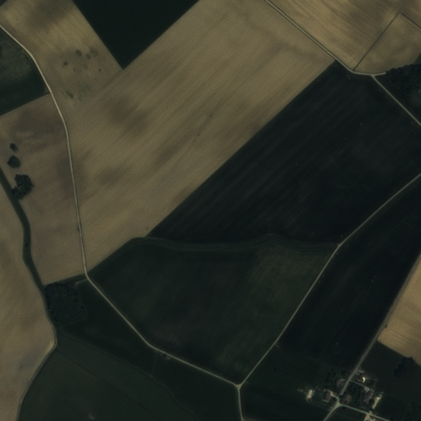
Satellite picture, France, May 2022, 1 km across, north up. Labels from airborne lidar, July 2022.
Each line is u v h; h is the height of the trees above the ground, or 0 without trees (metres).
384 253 0
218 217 0
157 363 0
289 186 0
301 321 0
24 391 0
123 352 0
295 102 0
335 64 0
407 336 0
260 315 0
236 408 0
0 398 0
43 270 0
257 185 0
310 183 0
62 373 0
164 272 0
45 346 0
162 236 0
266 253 0
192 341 0
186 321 0
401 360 0
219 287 0
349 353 0
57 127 0
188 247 0
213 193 0
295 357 0
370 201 0
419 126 0
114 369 0
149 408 0
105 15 0
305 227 0
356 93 0
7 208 0
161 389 0
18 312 0
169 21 0
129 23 0
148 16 0
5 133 0
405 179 0
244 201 0
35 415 0
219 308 0
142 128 0
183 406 0
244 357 0
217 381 0
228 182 0
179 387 0
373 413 12
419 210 0
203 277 0
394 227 0
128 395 0
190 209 0
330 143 0
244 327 0
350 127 0
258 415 0
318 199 0
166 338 0
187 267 0
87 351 0
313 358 0
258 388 0
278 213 0
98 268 0
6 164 0
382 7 0
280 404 0
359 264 0
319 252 0
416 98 0
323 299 0
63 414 0
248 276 0
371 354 0
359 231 0
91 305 0
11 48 0
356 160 0
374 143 0
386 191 0
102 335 0
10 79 0
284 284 0
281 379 0
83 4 0
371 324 0
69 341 0
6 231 0
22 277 0
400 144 0
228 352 0
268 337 0
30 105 0
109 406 0
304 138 0
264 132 0
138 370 0
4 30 0
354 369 0
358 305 0
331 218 0
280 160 0
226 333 0
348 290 0
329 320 0
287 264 0
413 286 0
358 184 0
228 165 0
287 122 0
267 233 0
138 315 0
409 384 0
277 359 0
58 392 0
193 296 0
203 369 0
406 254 0
